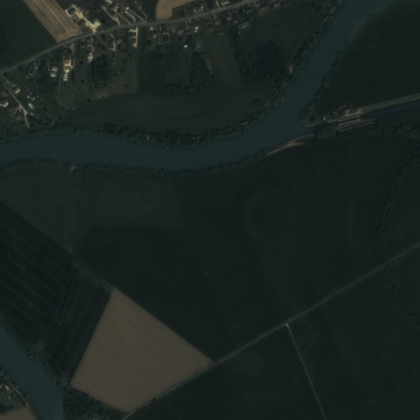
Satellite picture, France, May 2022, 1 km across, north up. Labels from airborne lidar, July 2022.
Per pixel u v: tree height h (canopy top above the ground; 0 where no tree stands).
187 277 0
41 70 10
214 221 0
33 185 0
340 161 0
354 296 0
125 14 8
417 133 17
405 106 0
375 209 0
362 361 0
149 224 0
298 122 0
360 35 0
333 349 0
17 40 0
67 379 0
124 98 0
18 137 11
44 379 0
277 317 0
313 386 0
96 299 0
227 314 0
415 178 0
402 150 0
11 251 0
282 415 0
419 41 0
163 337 0
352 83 0
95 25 0
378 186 0
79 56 0
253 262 0
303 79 0
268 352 0
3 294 0
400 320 0
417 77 0
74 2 0
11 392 0
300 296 0
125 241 0
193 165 0
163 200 0
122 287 0
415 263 0
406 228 0
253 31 0
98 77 16
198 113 0
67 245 0
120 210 0
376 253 0
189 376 0
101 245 0
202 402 0
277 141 0
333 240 0
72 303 0
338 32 0
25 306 0
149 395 0
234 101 0
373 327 0
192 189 0
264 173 0
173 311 0
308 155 0
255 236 0
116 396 0
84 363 0
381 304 0
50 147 0
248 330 0
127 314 0
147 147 0
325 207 0
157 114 0
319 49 0
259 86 0
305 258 0
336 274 0
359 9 0
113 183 0
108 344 0
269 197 0
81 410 16
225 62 0
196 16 0
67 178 0
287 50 0
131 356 0
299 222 0
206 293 0
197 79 18
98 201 0
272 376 0
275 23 0
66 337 0
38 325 0
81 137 0
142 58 0
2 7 0
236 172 0
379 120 22
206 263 0
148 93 0
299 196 0
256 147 0
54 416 0
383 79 0
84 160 0
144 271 0
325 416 0
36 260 0
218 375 0
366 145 0
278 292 0
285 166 0
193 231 0
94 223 0
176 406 0
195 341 0
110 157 0
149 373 0
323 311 0
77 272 0
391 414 0
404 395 0
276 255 0
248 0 0
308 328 0
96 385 0
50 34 0
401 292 0
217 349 0
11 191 0
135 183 0
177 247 0
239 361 0
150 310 0
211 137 15
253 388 0
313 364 0
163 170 8
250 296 0
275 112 0
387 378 0
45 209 0
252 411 0
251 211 0
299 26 0
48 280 0
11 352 0
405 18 0
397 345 0
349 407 0
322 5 6
